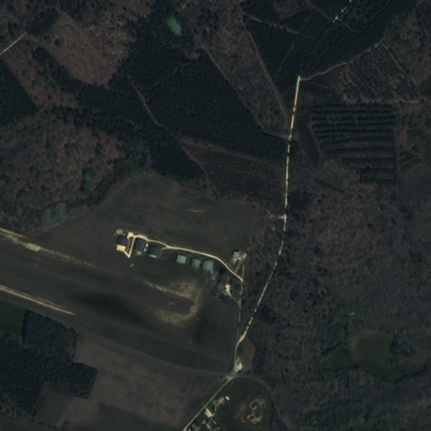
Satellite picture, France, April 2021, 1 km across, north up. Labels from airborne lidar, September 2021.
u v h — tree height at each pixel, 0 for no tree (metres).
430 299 16
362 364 0
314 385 19
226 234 0
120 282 0
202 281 0
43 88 11
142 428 0
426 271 16
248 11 15
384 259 17
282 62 14
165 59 17
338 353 8
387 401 16
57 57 0
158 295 0
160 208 0
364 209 7
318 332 16
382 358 0
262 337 9
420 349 17
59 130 10
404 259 13
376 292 17
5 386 16
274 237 16
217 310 0
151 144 20
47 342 17
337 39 17
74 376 12
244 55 7
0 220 0
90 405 0
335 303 20
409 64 10
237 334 0
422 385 13
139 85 16
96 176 19
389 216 15
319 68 15
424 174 10
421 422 10
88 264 0
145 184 0
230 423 0
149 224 0
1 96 18
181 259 0
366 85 20
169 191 0
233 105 18
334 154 7
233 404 0
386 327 20
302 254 8
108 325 0
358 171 8
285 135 16
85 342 0
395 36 13
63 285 0
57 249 0
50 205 8
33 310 0
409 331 15
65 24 0
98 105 18
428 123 8
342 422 16
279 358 15
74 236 0
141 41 17
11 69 6
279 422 12
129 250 0
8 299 0
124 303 0
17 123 11
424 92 7
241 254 0
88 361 0
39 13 7
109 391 0
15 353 12
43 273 0
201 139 17
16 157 10
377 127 19
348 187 11
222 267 0
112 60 12
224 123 18
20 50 15
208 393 0
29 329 20
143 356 0
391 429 24
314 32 7
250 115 16
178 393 0
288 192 18
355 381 7
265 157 17
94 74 9
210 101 11
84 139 10
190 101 17
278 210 12
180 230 0
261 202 10
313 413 9
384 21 17
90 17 9
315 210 7
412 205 18
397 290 22
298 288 13
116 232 0
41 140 16
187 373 0
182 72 20
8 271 0
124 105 18
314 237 15
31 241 0
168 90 19
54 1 18
